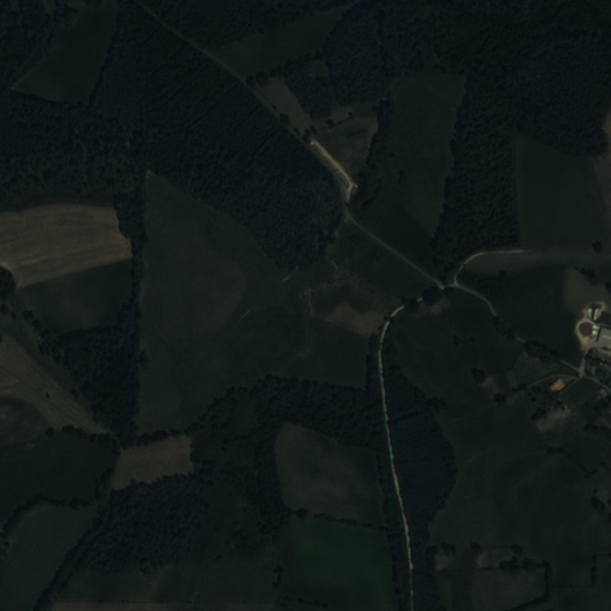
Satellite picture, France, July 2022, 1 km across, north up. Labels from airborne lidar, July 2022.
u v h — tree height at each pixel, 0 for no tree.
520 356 0
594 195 0
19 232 0
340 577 0
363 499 0
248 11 18
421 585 13
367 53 26
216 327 0
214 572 0
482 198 9
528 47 10
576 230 0
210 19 21
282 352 0
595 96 14
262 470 16
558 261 0
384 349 5
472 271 0
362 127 0
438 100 0
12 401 0
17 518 16
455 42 11
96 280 0
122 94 17
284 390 21
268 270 0
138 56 20
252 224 28
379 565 0
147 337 0
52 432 15
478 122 6
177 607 0
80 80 0
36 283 0
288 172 16
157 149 21
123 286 0
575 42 21
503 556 0
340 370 0
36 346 0
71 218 0
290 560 0
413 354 0
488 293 11
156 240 0
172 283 0
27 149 15
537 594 0
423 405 18
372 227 0
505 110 7
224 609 0
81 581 0
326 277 0
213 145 27
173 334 0
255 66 0
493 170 9
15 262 0
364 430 15
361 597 0
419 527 11
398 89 0
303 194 31
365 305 0
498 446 0
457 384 0
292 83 21
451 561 0
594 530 0
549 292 0
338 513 0
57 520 0
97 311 0
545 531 0
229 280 0
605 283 0
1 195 20
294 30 0
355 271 0
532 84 28
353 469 0
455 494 0
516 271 0
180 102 9
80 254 0
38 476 0
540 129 23
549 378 0
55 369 0
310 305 0
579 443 0
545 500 0
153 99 12
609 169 0
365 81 31
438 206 0
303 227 29
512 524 0
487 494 0
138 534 20
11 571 0
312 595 0
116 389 20
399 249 0
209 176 17
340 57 30
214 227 0
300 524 0
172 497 18
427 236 0
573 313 0
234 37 16
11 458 0
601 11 9
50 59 0
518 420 0
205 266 0
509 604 0
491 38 11
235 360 0
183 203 0
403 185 6
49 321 0
